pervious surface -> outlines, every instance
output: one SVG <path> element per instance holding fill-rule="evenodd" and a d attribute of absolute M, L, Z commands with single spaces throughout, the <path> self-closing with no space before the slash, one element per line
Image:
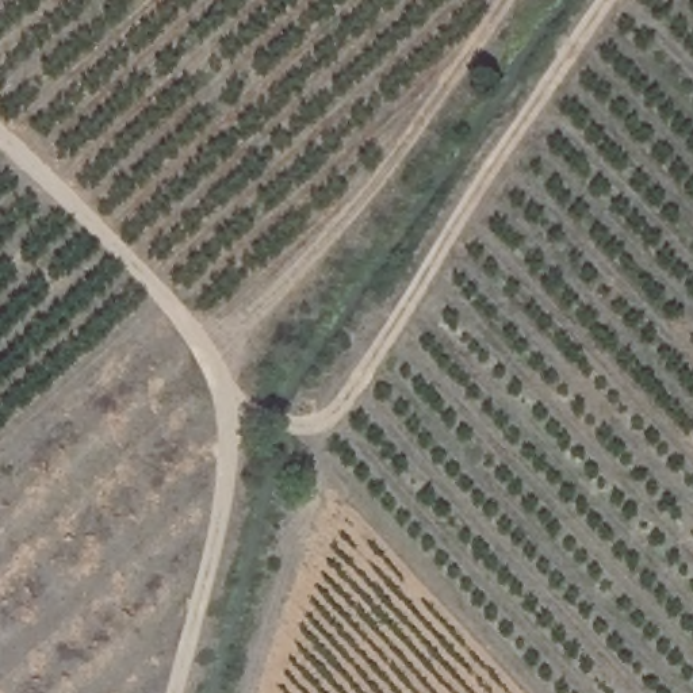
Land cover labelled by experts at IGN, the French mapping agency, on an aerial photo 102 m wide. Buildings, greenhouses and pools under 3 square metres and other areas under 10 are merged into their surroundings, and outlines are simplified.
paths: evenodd
<path fill-rule="evenodd" d="M 596 41 L 604 19 L 612 14 L 617 0 L 590 0 L 582 16 L 574 22 L 574 27 L 558 41 L 550 68 L 539 76 L 514 119 L 504 127 L 501 138 L 476 168 L 474 179 L 463 187 L 457 203 L 447 214 L 447 222 L 439 227 L 436 241 L 417 265 L 398 303 L 390 309 L 379 336 L 349 371 L 344 387 L 325 409 L 309 414 L 290 414 L 290 433 L 300 436 L 330 436 L 333 433 L 336 422 L 341 422 L 349 414 L 355 409 L 357 398 L 374 384 L 379 365 L 384 363 L 387 352 L 401 336 L 417 303 L 436 279 L 439 268 L 444 265 L 449 249 L 457 244 L 463 227 L 479 208 L 485 192 L 501 173 L 504 162 L 512 160 L 514 149 L 531 133 L 539 114 L 552 103 L 558 87 L 577 65 L 585 46 Z"/>
<path fill-rule="evenodd" d="M 249 363 L 246 341 L 254 330 L 263 330 L 271 322 L 273 311 L 282 303 L 287 303 L 290 292 L 295 292 L 309 279 L 309 273 L 338 244 L 338 238 L 355 225 L 355 219 L 360 219 L 371 208 L 384 184 L 401 173 L 411 149 L 436 122 L 439 111 L 455 92 L 455 87 L 463 81 L 471 62 L 471 57 L 482 51 L 504 27 L 517 0 L 487 0 L 482 22 L 460 43 L 444 49 L 444 57 L 439 60 L 441 70 L 433 87 L 425 92 L 406 130 L 382 152 L 379 165 L 374 171 L 357 173 L 349 181 L 341 200 L 311 214 L 306 230 L 295 236 L 292 244 L 287 244 L 265 265 L 246 273 L 233 298 L 219 300 L 208 311 L 189 311 L 173 295 L 173 287 L 152 271 L 149 260 L 135 254 L 135 249 L 122 241 L 122 236 L 97 214 L 97 208 L 92 208 L 84 200 L 84 195 L 79 192 L 79 181 L 60 179 L 0 119 L 0 152 L 8 157 L 16 173 L 30 176 L 35 192 L 49 195 L 57 206 L 73 214 L 73 219 L 84 230 L 89 230 L 100 241 L 100 246 L 119 257 L 130 276 L 146 287 L 146 295 L 171 317 L 171 322 L 192 349 L 214 398 L 217 476 L 211 522 L 203 544 L 195 590 L 187 604 L 187 620 L 173 658 L 173 671 L 168 679 L 171 693 L 184 693 L 189 688 L 189 669 L 198 655 L 198 642 L 230 522 L 236 482 L 244 463 L 238 433 L 241 414 L 246 420 L 254 420 L 268 414 L 254 398 L 246 398 L 246 393 L 238 387 L 238 374 Z"/>

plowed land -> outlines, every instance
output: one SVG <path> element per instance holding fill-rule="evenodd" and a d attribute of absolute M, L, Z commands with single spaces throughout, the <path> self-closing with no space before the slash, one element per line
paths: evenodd
<path fill-rule="evenodd" d="M 311 606 L 311 596 L 328 566 L 330 541 L 341 531 L 349 533 L 355 541 L 363 536 L 374 539 L 401 568 L 403 579 L 414 574 L 428 587 L 422 598 L 433 601 L 433 606 L 463 633 L 466 644 L 498 671 L 509 693 L 555 693 L 558 685 L 541 679 L 539 671 L 533 671 L 525 663 L 525 655 L 517 650 L 517 644 L 501 633 L 501 625 L 487 620 L 479 606 L 474 606 L 471 596 L 460 587 L 460 582 L 449 579 L 447 568 L 436 566 L 436 558 L 428 550 L 422 550 L 420 541 L 414 541 L 395 522 L 395 517 L 368 493 L 368 487 L 355 476 L 349 466 L 341 463 L 336 452 L 330 452 L 330 436 L 300 436 L 306 452 L 314 457 L 314 495 L 298 509 L 292 509 L 290 517 L 284 517 L 279 525 L 279 571 L 273 574 L 268 596 L 260 601 L 257 633 L 246 650 L 246 666 L 241 677 L 241 688 L 246 693 L 276 693 L 284 682 L 290 655 L 295 655 L 300 666 L 306 661 L 295 642 L 300 636 L 300 623 Z"/>

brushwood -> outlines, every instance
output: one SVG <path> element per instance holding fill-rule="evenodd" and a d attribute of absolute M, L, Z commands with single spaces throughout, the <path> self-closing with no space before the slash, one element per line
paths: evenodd
<path fill-rule="evenodd" d="M 474 179 L 476 168 L 501 138 L 504 127 L 514 119 L 539 76 L 550 68 L 558 41 L 574 27 L 574 22 L 582 16 L 590 0 L 517 0 L 504 27 L 482 51 L 471 57 L 471 62 L 474 68 L 487 70 L 504 68 L 501 89 L 490 97 L 482 97 L 474 95 L 471 87 L 463 81 L 455 87 L 455 92 L 439 111 L 436 122 L 411 149 L 401 173 L 384 184 L 371 208 L 360 219 L 355 219 L 355 225 L 338 238 L 338 244 L 309 273 L 309 279 L 295 292 L 290 292 L 287 303 L 282 303 L 273 311 L 271 322 L 263 330 L 254 330 L 246 341 L 249 363 L 238 374 L 238 387 L 246 393 L 246 398 L 254 398 L 268 414 L 254 420 L 246 420 L 241 414 L 238 433 L 244 463 L 236 482 L 230 522 L 198 642 L 198 655 L 189 669 L 189 688 L 184 693 L 246 693 L 241 688 L 241 677 L 246 666 L 246 650 L 257 633 L 260 601 L 268 596 L 273 574 L 279 571 L 279 525 L 284 517 L 290 517 L 292 509 L 298 509 L 314 495 L 314 457 L 306 452 L 300 436 L 290 433 L 290 414 L 309 414 L 325 409 L 344 387 L 349 371 L 379 336 L 390 309 L 398 303 L 417 265 L 436 241 L 439 227 L 447 222 L 447 214 L 457 203 L 463 187 Z"/>

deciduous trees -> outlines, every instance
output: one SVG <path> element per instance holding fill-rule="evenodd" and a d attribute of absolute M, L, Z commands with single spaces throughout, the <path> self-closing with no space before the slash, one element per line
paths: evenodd
<path fill-rule="evenodd" d="M 536 544 L 509 517 L 501 517 L 498 531 L 522 550 L 525 558 L 531 558 L 536 552 Z"/>
<path fill-rule="evenodd" d="M 533 593 L 522 590 L 522 582 L 509 571 L 506 563 L 498 560 L 498 555 L 490 552 L 490 544 L 482 536 L 471 533 L 471 528 L 460 528 L 460 541 L 471 544 L 474 558 L 482 560 L 485 568 L 490 568 L 498 577 L 498 582 L 504 582 L 522 601 L 522 606 L 536 617 L 536 623 L 547 628 L 552 639 L 563 647 L 566 658 L 574 658 L 579 644 L 566 636 L 563 625 L 552 617 L 552 612 L 536 604 Z"/>
<path fill-rule="evenodd" d="M 455 420 L 455 409 L 449 409 L 441 401 L 439 390 L 417 374 L 411 382 L 414 390 L 444 420 L 444 425 L 449 425 Z"/>
<path fill-rule="evenodd" d="M 449 455 L 436 444 L 436 439 L 420 425 L 420 417 L 414 414 L 403 422 L 406 430 L 417 439 L 417 444 L 425 452 L 430 452 L 433 463 L 444 466 L 444 471 L 460 485 L 460 490 L 466 490 L 471 501 L 490 517 L 498 509 L 498 501 L 487 498 L 471 476 L 460 471 L 457 460 L 449 460 Z"/>
<path fill-rule="evenodd" d="M 690 693 L 693 693 L 693 666 L 658 631 L 658 625 L 644 617 L 644 612 L 628 596 L 614 598 L 617 609 L 628 614 L 628 620 L 644 633 L 644 639 L 652 639 L 658 644 L 658 652 L 682 671 Z"/>
<path fill-rule="evenodd" d="M 620 463 L 631 460 L 625 441 L 609 425 L 601 425 L 598 441 Z"/>
<path fill-rule="evenodd" d="M 409 517 L 409 509 L 395 506 L 384 482 L 374 479 L 368 466 L 360 457 L 355 457 L 352 447 L 333 433 L 330 436 L 330 452 L 336 452 L 341 463 L 349 466 L 355 476 L 368 487 L 368 493 L 395 517 L 395 522 L 414 541 L 420 541 L 422 550 L 428 550 L 433 544 L 433 536 L 425 533 L 420 522 Z"/>
<path fill-rule="evenodd" d="M 406 130 L 425 92 L 433 87 L 441 70 L 439 60 L 444 57 L 444 49 L 460 43 L 482 22 L 487 0 L 0 0 L 0 119 L 60 179 L 79 181 L 79 192 L 84 195 L 84 200 L 92 208 L 97 208 L 97 214 L 122 236 L 122 241 L 135 249 L 135 254 L 149 260 L 152 271 L 173 287 L 173 295 L 189 311 L 208 311 L 219 300 L 233 298 L 246 273 L 265 265 L 287 244 L 292 244 L 295 236 L 306 230 L 311 214 L 341 200 L 349 181 L 357 173 L 374 171 L 379 165 L 382 152 Z"/>
<path fill-rule="evenodd" d="M 655 601 L 666 606 L 666 612 L 677 617 L 679 625 L 693 636 L 693 612 L 666 590 L 666 585 L 658 579 L 652 568 L 644 568 L 639 563 L 636 550 L 631 550 L 625 541 L 614 544 L 612 550 L 614 558 L 625 560 L 628 571 L 639 577 L 642 587 L 652 593 Z"/>
<path fill-rule="evenodd" d="M 522 457 L 528 457 L 536 471 L 541 471 L 552 485 L 560 487 L 563 501 L 577 504 L 577 512 L 601 539 L 609 539 L 614 533 L 612 525 L 590 506 L 587 495 L 566 479 L 560 468 L 555 468 L 547 460 L 547 455 L 536 444 L 528 441 L 522 447 Z"/>
<path fill-rule="evenodd" d="M 171 322 L 171 317 L 146 295 L 146 287 L 130 276 L 119 257 L 100 246 L 100 241 L 89 230 L 84 230 L 73 219 L 73 214 L 57 206 L 49 195 L 35 192 L 30 176 L 16 173 L 8 157 L 0 152 L 0 693 L 171 693 L 168 679 L 173 671 L 173 658 L 187 620 L 187 604 L 195 590 L 203 544 L 211 522 L 217 476 L 214 398 L 192 349 Z"/>
<path fill-rule="evenodd" d="M 531 355 L 528 365 L 550 384 L 558 376 L 558 371 L 547 365 L 541 352 L 536 352 Z"/>
<path fill-rule="evenodd" d="M 379 455 L 393 463 L 395 471 L 406 471 L 406 455 L 395 449 L 384 430 L 365 417 L 363 409 L 355 409 L 349 414 L 352 428 L 379 447 Z"/>
<path fill-rule="evenodd" d="M 490 97 L 501 89 L 504 68 L 487 70 L 474 68 L 471 62 L 463 81 L 471 87 L 474 95 L 482 97 Z"/>
<path fill-rule="evenodd" d="M 682 430 L 693 430 L 693 0 L 617 0 L 612 14 L 604 19 L 596 41 L 585 46 L 577 65 L 558 87 L 552 103 L 539 114 L 531 133 L 514 149 L 512 160 L 504 162 L 501 173 L 485 192 L 479 208 L 463 227 L 457 244 L 449 249 L 444 265 L 439 268 L 436 279 L 417 303 L 401 336 L 420 338 L 422 349 L 430 352 L 439 368 L 447 376 L 452 376 L 468 398 L 476 398 L 476 382 L 468 371 L 463 371 L 463 365 L 444 349 L 444 341 L 436 336 L 439 322 L 447 322 L 452 328 L 457 325 L 457 309 L 444 303 L 447 292 L 457 284 L 457 290 L 485 317 L 487 328 L 501 333 L 514 352 L 525 349 L 528 341 L 541 330 L 563 352 L 568 363 L 587 374 L 590 363 L 585 355 L 598 344 Z"/>
<path fill-rule="evenodd" d="M 417 493 L 420 501 L 430 506 L 436 514 L 449 512 L 449 501 L 433 493 L 433 485 L 425 485 Z"/>
<path fill-rule="evenodd" d="M 528 514 L 539 517 L 550 536 L 555 536 L 560 528 L 558 517 L 539 504 L 536 493 L 522 490 L 522 479 L 512 474 L 509 466 L 498 466 L 495 476 L 509 487 L 512 495 L 522 501 L 522 509 Z"/>

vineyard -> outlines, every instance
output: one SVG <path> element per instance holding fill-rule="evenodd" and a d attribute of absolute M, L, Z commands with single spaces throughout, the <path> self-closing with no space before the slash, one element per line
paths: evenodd
<path fill-rule="evenodd" d="M 300 636 L 295 642 L 306 661 L 300 666 L 295 655 L 290 655 L 284 682 L 276 693 L 509 693 L 498 671 L 466 644 L 463 633 L 433 606 L 433 601 L 422 598 L 428 587 L 414 574 L 403 579 L 401 568 L 374 539 L 363 536 L 355 541 L 349 533 L 341 531 L 330 541 L 328 566 L 311 596 L 311 606 L 300 623 Z"/>

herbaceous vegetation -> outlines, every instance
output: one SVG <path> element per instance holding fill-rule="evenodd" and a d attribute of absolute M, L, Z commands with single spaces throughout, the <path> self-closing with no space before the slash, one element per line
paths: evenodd
<path fill-rule="evenodd" d="M 525 663 L 533 671 L 539 671 L 541 679 L 558 685 L 555 693 L 690 693 L 682 671 L 658 652 L 658 644 L 652 639 L 644 639 L 644 633 L 628 620 L 628 614 L 617 609 L 614 598 L 628 596 L 644 612 L 644 617 L 658 625 L 658 631 L 693 666 L 693 636 L 679 625 L 677 617 L 666 612 L 666 606 L 655 601 L 652 593 L 642 587 L 639 577 L 628 571 L 625 560 L 614 558 L 612 550 L 614 544 L 625 541 L 631 550 L 636 550 L 639 563 L 644 568 L 652 568 L 658 579 L 666 585 L 666 590 L 693 612 L 693 430 L 682 430 L 598 344 L 585 355 L 590 363 L 587 374 L 568 363 L 563 352 L 541 330 L 528 341 L 525 349 L 514 352 L 501 333 L 487 328 L 485 317 L 457 290 L 457 284 L 447 292 L 444 303 L 457 309 L 457 325 L 452 328 L 447 322 L 439 322 L 436 336 L 444 341 L 444 349 L 463 365 L 463 371 L 468 371 L 476 382 L 476 398 L 468 398 L 452 376 L 447 376 L 439 368 L 430 352 L 422 349 L 420 338 L 401 336 L 387 352 L 384 363 L 379 365 L 374 384 L 357 398 L 355 409 L 363 409 L 365 417 L 384 430 L 395 449 L 406 455 L 406 471 L 395 471 L 393 463 L 379 455 L 379 447 L 352 428 L 349 414 L 341 422 L 336 422 L 333 433 L 352 447 L 355 457 L 360 457 L 368 466 L 374 479 L 384 482 L 395 506 L 409 509 L 409 517 L 420 522 L 425 533 L 433 536 L 433 544 L 428 550 L 436 558 L 436 566 L 447 568 L 449 579 L 460 582 L 460 587 L 471 596 L 474 606 L 479 606 L 487 620 L 501 625 L 501 633 L 517 644 L 517 650 L 525 655 Z M 528 365 L 531 355 L 536 352 L 541 352 L 547 365 L 558 371 L 558 376 L 550 384 Z M 449 425 L 444 425 L 444 420 L 414 390 L 411 382 L 417 374 L 439 390 L 441 401 L 449 409 L 455 409 L 455 420 Z M 471 501 L 466 490 L 460 490 L 460 485 L 444 471 L 444 466 L 433 463 L 430 452 L 425 452 L 417 444 L 417 439 L 406 430 L 403 422 L 414 414 L 420 417 L 420 425 L 436 439 L 436 444 L 449 455 L 449 460 L 457 460 L 460 471 L 471 476 L 487 498 L 498 501 L 498 509 L 490 517 Z M 631 460 L 620 463 L 598 441 L 601 425 L 609 425 L 625 441 Z M 609 539 L 601 539 L 577 512 L 577 504 L 563 501 L 560 487 L 552 485 L 541 471 L 536 471 L 528 457 L 522 457 L 522 447 L 528 441 L 536 444 L 547 455 L 547 460 L 555 468 L 560 468 L 566 479 L 587 495 L 590 506 L 612 525 L 614 533 Z M 522 490 L 536 493 L 539 504 L 558 517 L 560 528 L 555 536 L 550 536 L 539 517 L 528 514 L 522 509 L 522 501 L 512 495 L 509 487 L 495 476 L 498 466 L 509 466 L 512 474 L 522 479 Z M 417 493 L 425 485 L 433 485 L 433 493 L 449 501 L 449 512 L 436 514 L 430 506 L 420 501 Z M 522 550 L 498 531 L 501 517 L 509 517 L 536 544 L 536 552 L 531 558 L 525 558 Z M 490 568 L 485 568 L 482 560 L 474 558 L 471 544 L 460 541 L 460 528 L 471 528 L 471 533 L 482 536 L 490 544 L 490 552 L 498 555 L 498 560 L 506 563 L 509 571 L 522 582 L 522 590 L 533 593 L 536 604 L 552 612 L 552 617 L 563 625 L 566 636 L 579 644 L 574 658 L 566 658 L 563 647 L 552 639 L 547 628 L 536 623 L 536 617 L 522 606 L 522 601 L 504 582 L 498 582 L 498 577 Z"/>

